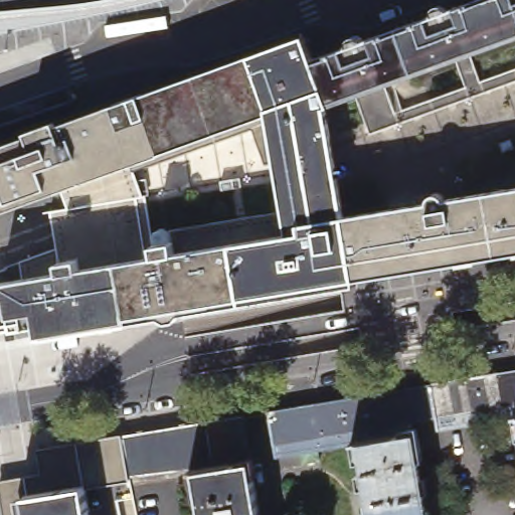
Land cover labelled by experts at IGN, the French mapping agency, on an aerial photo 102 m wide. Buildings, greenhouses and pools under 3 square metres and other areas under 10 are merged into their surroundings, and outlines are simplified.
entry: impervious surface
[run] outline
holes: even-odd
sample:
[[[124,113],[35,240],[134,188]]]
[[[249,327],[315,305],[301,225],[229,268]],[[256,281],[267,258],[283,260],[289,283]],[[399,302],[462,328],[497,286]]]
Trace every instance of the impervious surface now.
[[[481,296],[479,286],[487,276],[501,272],[507,278],[515,278],[515,262],[493,262],[479,268],[477,272],[451,272],[443,280],[433,280],[428,284],[412,284],[410,280],[400,280],[386,294],[380,284],[368,284],[352,292],[350,296],[334,296],[318,302],[298,304],[251,318],[245,318],[243,314],[233,314],[181,322],[171,328],[159,330],[157,324],[151,322],[135,326],[115,324],[109,328],[95,328],[38,340],[0,340],[0,471],[6,463],[24,461],[28,455],[28,445],[34,451],[40,451],[56,449],[62,441],[52,435],[50,420],[46,414],[48,404],[56,402],[60,392],[66,398],[78,392],[97,392],[109,396],[111,404],[117,406],[117,410],[109,416],[119,422],[119,426],[111,428],[107,437],[181,424],[181,416],[173,412],[175,390],[183,384],[193,382],[197,376],[215,376],[215,388],[225,388],[235,386],[239,380],[245,380],[247,374],[255,372],[258,368],[264,368],[274,374],[286,372],[290,392],[280,396],[272,410],[340,400],[344,396],[336,388],[334,358],[336,348],[344,344],[362,344],[366,354],[372,356],[374,362],[398,362],[400,368],[406,370],[408,370],[414,358],[420,354],[420,346],[428,342],[433,324],[439,322],[453,322],[453,338],[465,338],[465,348],[483,344],[481,356],[485,356],[485,360],[489,362],[493,358],[515,356],[515,314],[505,316],[501,320],[483,320],[477,312],[477,304]]]
[[[217,420],[209,424],[201,424],[195,428],[189,473],[193,475],[229,467],[243,467],[247,471],[255,515],[280,515],[280,511],[276,509],[278,501],[286,503],[302,495],[316,497],[324,513],[330,515],[334,515],[338,489],[328,479],[328,475],[316,469],[308,471],[300,475],[282,475],[280,461],[276,461],[272,455],[266,416],[262,412],[233,410],[221,414]]]
[[[433,422],[428,426],[416,426],[418,463],[414,467],[418,477],[422,515],[441,515],[437,471],[443,463],[451,467],[459,483],[459,491],[463,495],[461,499],[471,503],[469,515],[515,515],[515,501],[487,501],[485,495],[479,491],[477,477],[481,469],[515,469],[515,447],[513,445],[505,451],[481,457],[475,453],[467,428],[437,433]]]
[[[107,483],[107,487],[111,489],[107,495],[101,495],[99,487],[91,487],[87,493],[82,493],[80,503],[84,515],[179,515],[175,493],[177,487],[185,489],[185,481],[179,479],[177,469],[129,475],[129,481],[125,483],[123,479]]]
[[[461,6],[471,6],[481,0],[0,0],[0,145],[14,141],[18,135],[26,131],[84,117],[109,105],[133,99],[135,95],[143,95],[147,91],[171,84],[175,80],[221,66],[225,62],[243,58],[247,54],[266,50],[288,40],[302,40],[304,52],[312,62],[342,48],[346,42],[370,40],[382,34],[390,34],[394,32],[394,28],[400,26],[406,28],[412,22],[426,18],[433,10],[453,10]]]

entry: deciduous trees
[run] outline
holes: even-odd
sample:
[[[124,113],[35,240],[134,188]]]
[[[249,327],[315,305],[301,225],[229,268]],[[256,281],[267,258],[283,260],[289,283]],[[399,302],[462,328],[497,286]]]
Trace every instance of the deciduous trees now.
[[[437,471],[441,515],[469,515],[471,503],[461,499],[463,495],[459,491],[459,483],[451,467],[443,463]]]
[[[247,374],[245,380],[239,380],[235,386],[225,388],[215,388],[215,376],[197,376],[193,382],[183,384],[175,390],[173,412],[181,416],[181,424],[193,424],[195,428],[201,424],[209,424],[217,420],[221,414],[233,410],[262,412],[266,416],[272,410],[280,396],[290,392],[286,372],[274,374],[264,368],[258,368],[255,372]]]
[[[109,416],[117,410],[117,406],[111,404],[109,396],[97,392],[78,392],[66,398],[60,392],[56,402],[48,404],[46,414],[50,420],[52,435],[62,441],[99,443],[107,437],[111,428],[119,426],[119,422]]]
[[[400,368],[398,362],[374,362],[372,356],[366,354],[362,344],[344,344],[336,348],[334,358],[336,388],[344,396],[360,400],[368,396],[380,396],[392,390],[404,378],[406,370]]]
[[[479,491],[485,495],[487,501],[515,501],[515,469],[481,469],[477,477]]]
[[[475,418],[471,414],[467,428],[475,453],[481,457],[505,451],[513,445],[507,418],[481,414]]]
[[[280,511],[280,515],[330,515],[324,513],[316,497],[302,495],[286,503],[278,501],[276,509]]]
[[[465,338],[453,338],[453,322],[439,322],[433,324],[428,342],[420,346],[420,354],[414,358],[408,370],[416,370],[428,386],[467,384],[477,374],[493,374],[489,362],[485,360],[485,356],[481,356],[483,344],[465,348]]]
[[[515,314],[515,278],[507,278],[501,272],[487,276],[479,286],[481,296],[477,304],[477,312],[483,320],[501,320],[505,316]]]

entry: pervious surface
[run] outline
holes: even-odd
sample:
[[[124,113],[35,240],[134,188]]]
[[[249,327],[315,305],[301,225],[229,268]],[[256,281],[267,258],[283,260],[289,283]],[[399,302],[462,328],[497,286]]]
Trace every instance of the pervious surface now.
[[[282,475],[300,475],[308,471],[298,457],[280,461]]]

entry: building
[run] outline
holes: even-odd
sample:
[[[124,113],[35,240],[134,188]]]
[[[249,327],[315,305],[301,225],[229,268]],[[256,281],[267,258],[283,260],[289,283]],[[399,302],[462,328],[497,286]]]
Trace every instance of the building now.
[[[418,463],[416,426],[428,426],[433,422],[437,433],[467,428],[471,414],[475,418],[481,414],[507,418],[513,445],[515,447],[515,356],[493,358],[489,362],[493,374],[477,374],[467,384],[428,386],[416,370],[408,370],[406,370],[404,378],[392,390],[380,396],[368,396],[360,400],[344,396],[340,400],[272,410],[266,416],[272,455],[276,461],[280,461],[298,457],[308,471],[316,469],[320,465],[318,453],[340,449],[348,455],[348,461],[354,465],[360,515],[422,515],[418,477],[414,467]]]
[[[129,475],[177,469],[179,479],[185,481],[185,489],[191,515],[255,515],[247,471],[243,467],[229,467],[193,475],[189,473],[195,428],[193,424],[181,424],[107,437],[99,443],[62,441],[56,449],[40,451],[34,451],[28,445],[28,455],[24,461],[6,463],[0,471],[0,515],[84,515],[80,503],[82,493],[87,493],[91,487],[99,487],[101,495],[107,495],[111,489],[107,487],[107,483],[123,479],[125,483],[129,481]]]
[[[143,95],[135,95],[133,99],[109,105],[84,117],[26,131],[18,135],[14,141],[0,145],[0,340],[38,340],[95,328],[109,328],[115,324],[135,326],[151,322],[157,324],[159,330],[171,328],[181,322],[233,314],[243,314],[245,318],[251,318],[298,304],[318,302],[334,296],[350,296],[352,292],[368,284],[380,284],[386,294],[400,280],[410,280],[412,284],[428,284],[433,280],[443,280],[451,272],[477,272],[479,268],[493,262],[515,262],[515,0],[481,0],[471,6],[461,6],[453,10],[433,10],[426,18],[412,22],[406,28],[400,26],[394,28],[394,32],[390,34],[382,34],[370,40],[346,42],[342,48],[312,62],[304,52],[302,40],[288,40],[266,50],[247,54],[243,58],[225,62],[221,66],[175,80],[171,84],[147,91]]]

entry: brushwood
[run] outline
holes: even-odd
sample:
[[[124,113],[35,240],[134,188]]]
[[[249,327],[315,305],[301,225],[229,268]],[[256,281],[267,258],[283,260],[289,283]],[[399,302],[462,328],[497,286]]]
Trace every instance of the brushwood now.
[[[179,515],[191,515],[185,489],[177,487],[175,493]]]

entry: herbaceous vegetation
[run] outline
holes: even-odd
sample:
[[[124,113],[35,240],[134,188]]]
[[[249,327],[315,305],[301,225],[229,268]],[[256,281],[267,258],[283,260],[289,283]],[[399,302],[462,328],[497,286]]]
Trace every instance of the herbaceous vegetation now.
[[[360,515],[354,465],[348,461],[348,455],[340,449],[318,453],[320,465],[316,469],[328,475],[328,479],[338,489],[334,515]]]

